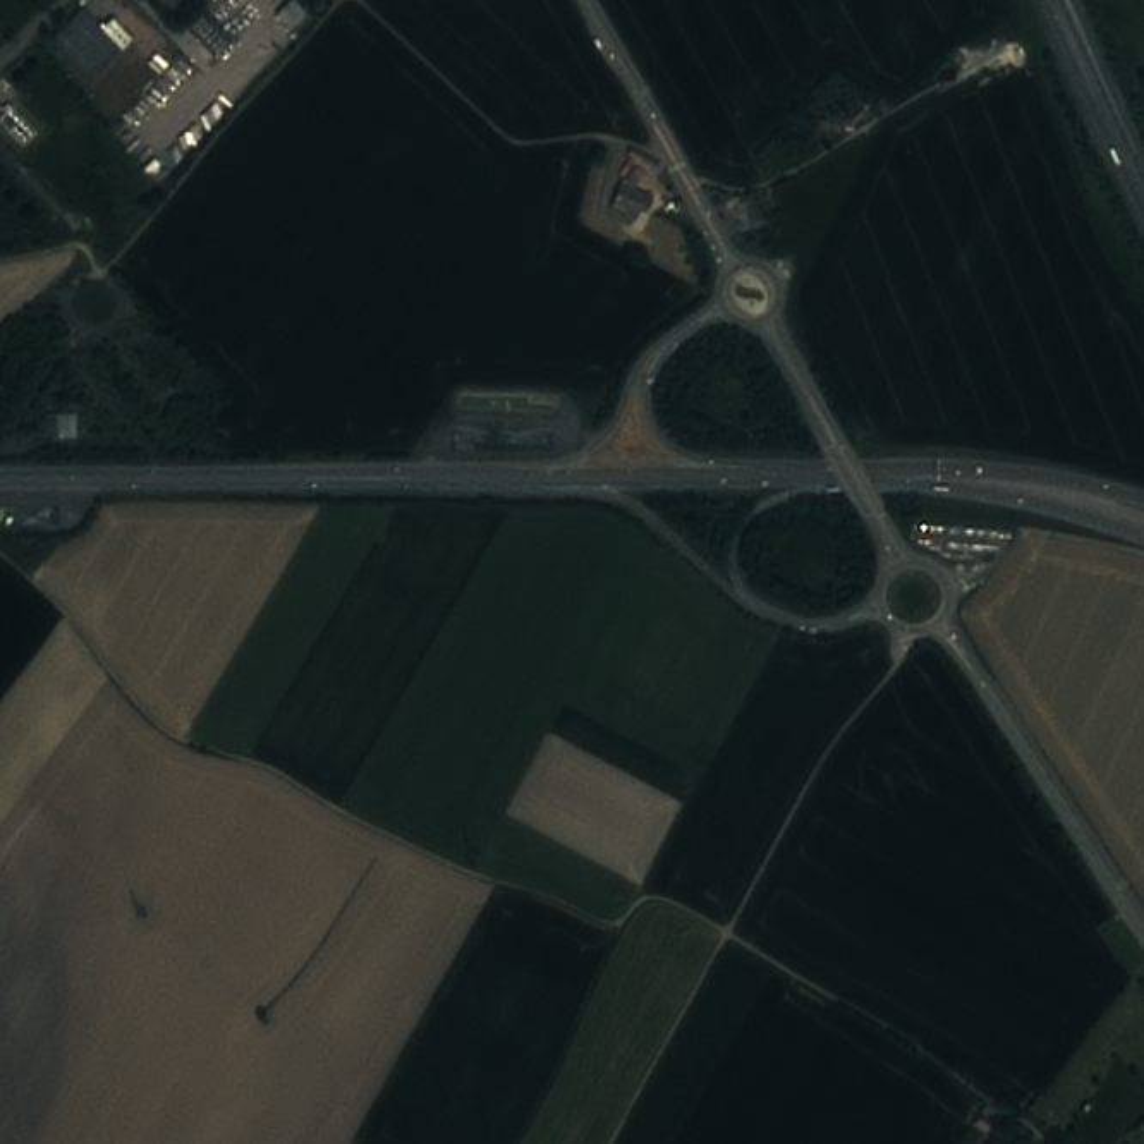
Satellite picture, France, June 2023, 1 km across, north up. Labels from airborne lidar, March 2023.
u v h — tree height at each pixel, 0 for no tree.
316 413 0
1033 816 0
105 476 0
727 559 12
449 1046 0
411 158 0
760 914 0
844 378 0
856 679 0
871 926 0
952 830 0
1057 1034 0
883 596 0
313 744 0
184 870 0
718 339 12
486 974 0
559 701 0
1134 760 0
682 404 11
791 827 0
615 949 0
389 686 0
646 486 0
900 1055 0
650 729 0
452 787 0
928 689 0
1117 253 0
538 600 0
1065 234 0
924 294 0
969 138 0
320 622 0
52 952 0
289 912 0
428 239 0
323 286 0
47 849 0
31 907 0
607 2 0
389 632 0
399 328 0
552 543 0
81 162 0
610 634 0
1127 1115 0
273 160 0
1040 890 0
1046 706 0
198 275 0
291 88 0
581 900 0
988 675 0
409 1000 0
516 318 0
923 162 0
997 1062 0
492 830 0
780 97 0
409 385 0
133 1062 0
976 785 0
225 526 0
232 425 0
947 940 0
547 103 0
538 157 0
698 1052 0
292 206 0
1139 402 0
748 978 0
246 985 0
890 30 0
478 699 0
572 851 0
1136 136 0
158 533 0
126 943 0
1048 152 0
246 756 0
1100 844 0
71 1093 0
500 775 0
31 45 0
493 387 0
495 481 0
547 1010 0
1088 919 0
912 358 0
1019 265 0
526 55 0
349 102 0
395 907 0
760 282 0
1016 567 0
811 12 0
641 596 0
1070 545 0
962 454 0
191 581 0
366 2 0
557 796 0
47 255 0
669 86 0
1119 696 0
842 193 0
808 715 0
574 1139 0
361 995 0
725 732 0
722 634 0
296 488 0
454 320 0
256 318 0
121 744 0
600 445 0
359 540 0
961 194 0
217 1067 0
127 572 0
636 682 0
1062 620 0
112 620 0
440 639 0
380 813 0
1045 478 0
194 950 0
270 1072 0
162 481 0
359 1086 0
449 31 0
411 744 0
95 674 0
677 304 0
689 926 0
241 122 0
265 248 0
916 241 0
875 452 0
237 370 0
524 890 0
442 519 0
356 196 0
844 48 0
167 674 0
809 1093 0
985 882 0
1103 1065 0
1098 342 0
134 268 0
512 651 0
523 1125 0
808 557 0
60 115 0
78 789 0
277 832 0
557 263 0
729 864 0
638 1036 0
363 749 0
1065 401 0
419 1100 0
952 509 0
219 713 0
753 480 0
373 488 0
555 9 0
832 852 0
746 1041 0
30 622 0
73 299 0
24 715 0
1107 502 0
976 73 0
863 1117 0
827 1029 0
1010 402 0
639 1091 0
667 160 0
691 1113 0
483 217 0
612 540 0
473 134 0
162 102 0
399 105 0
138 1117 0
